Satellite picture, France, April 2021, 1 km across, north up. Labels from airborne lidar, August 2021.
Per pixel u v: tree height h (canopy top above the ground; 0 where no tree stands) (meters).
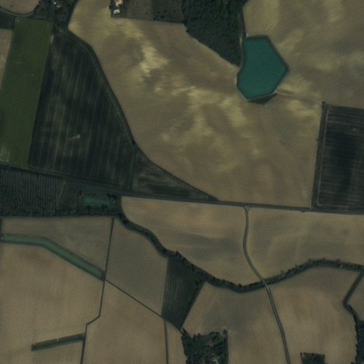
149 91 0
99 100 0
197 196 0
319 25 0
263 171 0
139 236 0
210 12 20
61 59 0
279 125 0
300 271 9
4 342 0
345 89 0
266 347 0
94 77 0
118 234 0
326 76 0
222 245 0
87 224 0
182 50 0
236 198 0
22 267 0
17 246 0
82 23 0
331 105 0
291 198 0
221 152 0
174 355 0
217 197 0
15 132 0
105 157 0
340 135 0
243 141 0
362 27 0
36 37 0
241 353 0
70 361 0
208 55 0
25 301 0
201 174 0
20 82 0
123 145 0
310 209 0
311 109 0
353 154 0
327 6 0
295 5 0
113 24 0
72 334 0
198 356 6
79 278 0
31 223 0
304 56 0
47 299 0
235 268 0
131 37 0
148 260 0
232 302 0
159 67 0
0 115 0
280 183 0
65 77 0
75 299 0
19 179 34
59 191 34
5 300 0
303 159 0
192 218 0
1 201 28
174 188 0
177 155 0
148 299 0
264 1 0
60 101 0
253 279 0
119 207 0
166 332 0
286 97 0
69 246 0
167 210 0
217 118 0
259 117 0
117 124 0
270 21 0
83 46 0
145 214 0
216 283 17
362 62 0
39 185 33
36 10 11
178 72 0
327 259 9
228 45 17
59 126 0
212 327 0
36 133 0
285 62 0
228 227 0
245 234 0
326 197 0
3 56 0
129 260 0
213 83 0
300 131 0
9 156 0
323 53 0
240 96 0
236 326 0
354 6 0
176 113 0
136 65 0
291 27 0
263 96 0
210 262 0
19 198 32
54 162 0
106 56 0
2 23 0
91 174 0
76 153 0
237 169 0
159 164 0
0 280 0
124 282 0
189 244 0
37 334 0
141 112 0
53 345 0
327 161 0
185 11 14
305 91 0
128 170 0
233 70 0
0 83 0
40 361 0
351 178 0
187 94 0
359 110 0
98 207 0
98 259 0
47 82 0
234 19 25
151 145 0
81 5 0
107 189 0
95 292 0
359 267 9
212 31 21
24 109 0
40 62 0
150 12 0
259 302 0
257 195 0
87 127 0
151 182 0
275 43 0
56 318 0
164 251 6
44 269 0
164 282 0
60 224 0
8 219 0
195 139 0
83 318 0
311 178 0
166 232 0
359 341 20
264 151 0
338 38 0
